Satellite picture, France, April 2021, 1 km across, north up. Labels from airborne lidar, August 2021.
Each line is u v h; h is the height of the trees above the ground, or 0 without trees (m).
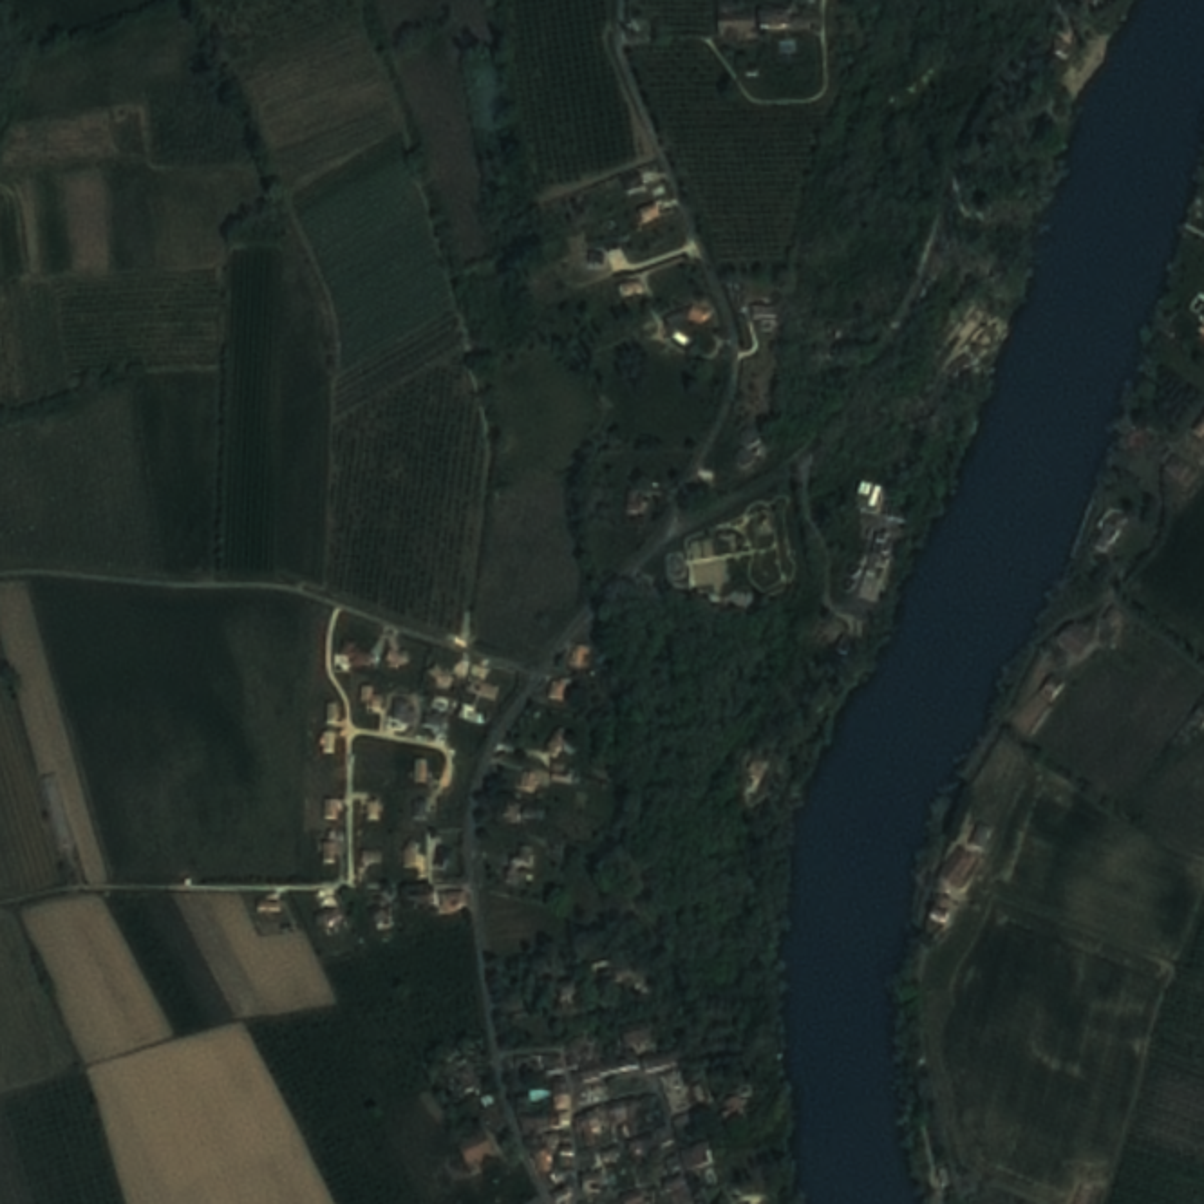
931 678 0
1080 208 0
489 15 0
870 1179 0
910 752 0
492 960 14
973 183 19
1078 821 0
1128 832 0
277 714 0
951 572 0
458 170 0
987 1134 0
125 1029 0
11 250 0
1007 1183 0
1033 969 0
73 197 0
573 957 12
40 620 0
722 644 19
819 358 22
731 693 21
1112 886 0
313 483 0
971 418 25
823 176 9
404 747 0
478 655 10
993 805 0
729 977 23
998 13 9
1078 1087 0
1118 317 0
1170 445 7
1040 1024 0
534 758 6
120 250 0
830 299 17
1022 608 0
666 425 0
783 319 17
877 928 0
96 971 0
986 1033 0
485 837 8
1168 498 9
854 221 14
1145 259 0
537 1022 6
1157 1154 7
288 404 0
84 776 0
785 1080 11
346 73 0
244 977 0
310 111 0
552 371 0
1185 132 0
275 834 0
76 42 7
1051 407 0
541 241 10
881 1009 0
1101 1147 0
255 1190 0
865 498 0
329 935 0
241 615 0
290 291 0
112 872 0
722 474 0
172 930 0
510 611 0
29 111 0
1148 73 0
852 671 34
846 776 0
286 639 0
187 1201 0
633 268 0
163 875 0
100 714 0
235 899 0
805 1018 0
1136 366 9
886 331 14
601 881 19
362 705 0
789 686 37
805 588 8
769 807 12
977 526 0
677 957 19
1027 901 0
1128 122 0
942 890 11
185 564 0
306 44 0
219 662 0
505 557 0
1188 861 0
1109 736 0
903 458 18
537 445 0
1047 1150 0
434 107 0
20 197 0
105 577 0
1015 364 0
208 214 0
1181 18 0
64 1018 0
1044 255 0
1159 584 0
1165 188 0
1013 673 13
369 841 0
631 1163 9
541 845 0
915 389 16
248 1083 0
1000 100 9
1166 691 0
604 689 9
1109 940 0
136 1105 0
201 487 0
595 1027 8
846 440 18
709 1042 8
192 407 0
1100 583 10
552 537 0
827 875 0
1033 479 0
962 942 0
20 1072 0
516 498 0
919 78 10
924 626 0
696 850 17
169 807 0
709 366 11
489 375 20
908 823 0
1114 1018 0
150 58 0
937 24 17
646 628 21
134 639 0
